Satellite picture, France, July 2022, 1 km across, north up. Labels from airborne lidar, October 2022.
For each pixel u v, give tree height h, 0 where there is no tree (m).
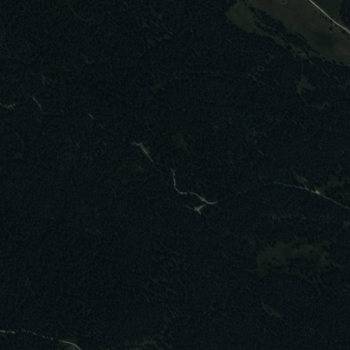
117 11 22
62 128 24
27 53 16
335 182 0
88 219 24
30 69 23
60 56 33
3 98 23
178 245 27
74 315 14
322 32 0
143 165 22
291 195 24
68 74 19
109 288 27
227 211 17
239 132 19
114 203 24
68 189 25
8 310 16
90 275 18
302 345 8
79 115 25
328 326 16
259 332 19
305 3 0
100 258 15
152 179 16
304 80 0
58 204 28
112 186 21
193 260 21
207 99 17
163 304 10
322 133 27
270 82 23
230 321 22
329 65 16
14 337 23
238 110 26
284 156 20
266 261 0
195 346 20
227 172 23
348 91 8
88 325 8
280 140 25
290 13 0
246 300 13
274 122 16
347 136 27
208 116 27
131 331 16
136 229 28
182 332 24
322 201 18
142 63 24
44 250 23
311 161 22
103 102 28
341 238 21
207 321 27
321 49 0
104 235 18
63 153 23
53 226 10
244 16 0
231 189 30
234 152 23
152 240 18
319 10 0
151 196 18
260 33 0
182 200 24
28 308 23
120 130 21
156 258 12
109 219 30
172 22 19
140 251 21
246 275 24
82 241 26
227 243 23
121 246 29
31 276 14
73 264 28
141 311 17
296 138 25
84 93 24
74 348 0
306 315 23
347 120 20
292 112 14
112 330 20
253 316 9
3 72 5
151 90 11
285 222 23
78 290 23
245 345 22
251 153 16
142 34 25
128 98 30
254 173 21
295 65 16
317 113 22
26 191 26
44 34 10
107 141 20
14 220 11
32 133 22
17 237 18
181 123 17
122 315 23
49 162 23
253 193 26
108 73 29
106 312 12
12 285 11
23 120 24
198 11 21
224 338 20
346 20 10
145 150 0
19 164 27
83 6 15
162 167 9
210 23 21
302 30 0
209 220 13
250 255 19
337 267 0
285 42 7
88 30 21
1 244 17
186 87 8
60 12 9
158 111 21
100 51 20
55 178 23
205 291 26
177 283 13
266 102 18
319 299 23
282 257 0
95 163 15
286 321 23
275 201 25
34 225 22
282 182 6
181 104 27
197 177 15
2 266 9
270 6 0
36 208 21
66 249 22
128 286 17
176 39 24
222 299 19
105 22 25
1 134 27
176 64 8
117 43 17
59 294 20
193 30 9
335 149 21
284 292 28
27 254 25
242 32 12
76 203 22
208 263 30
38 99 27
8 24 20
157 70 25
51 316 10
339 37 0
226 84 23
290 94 22
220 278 10
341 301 25
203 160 10
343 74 22
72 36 25
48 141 22
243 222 22
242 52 14
